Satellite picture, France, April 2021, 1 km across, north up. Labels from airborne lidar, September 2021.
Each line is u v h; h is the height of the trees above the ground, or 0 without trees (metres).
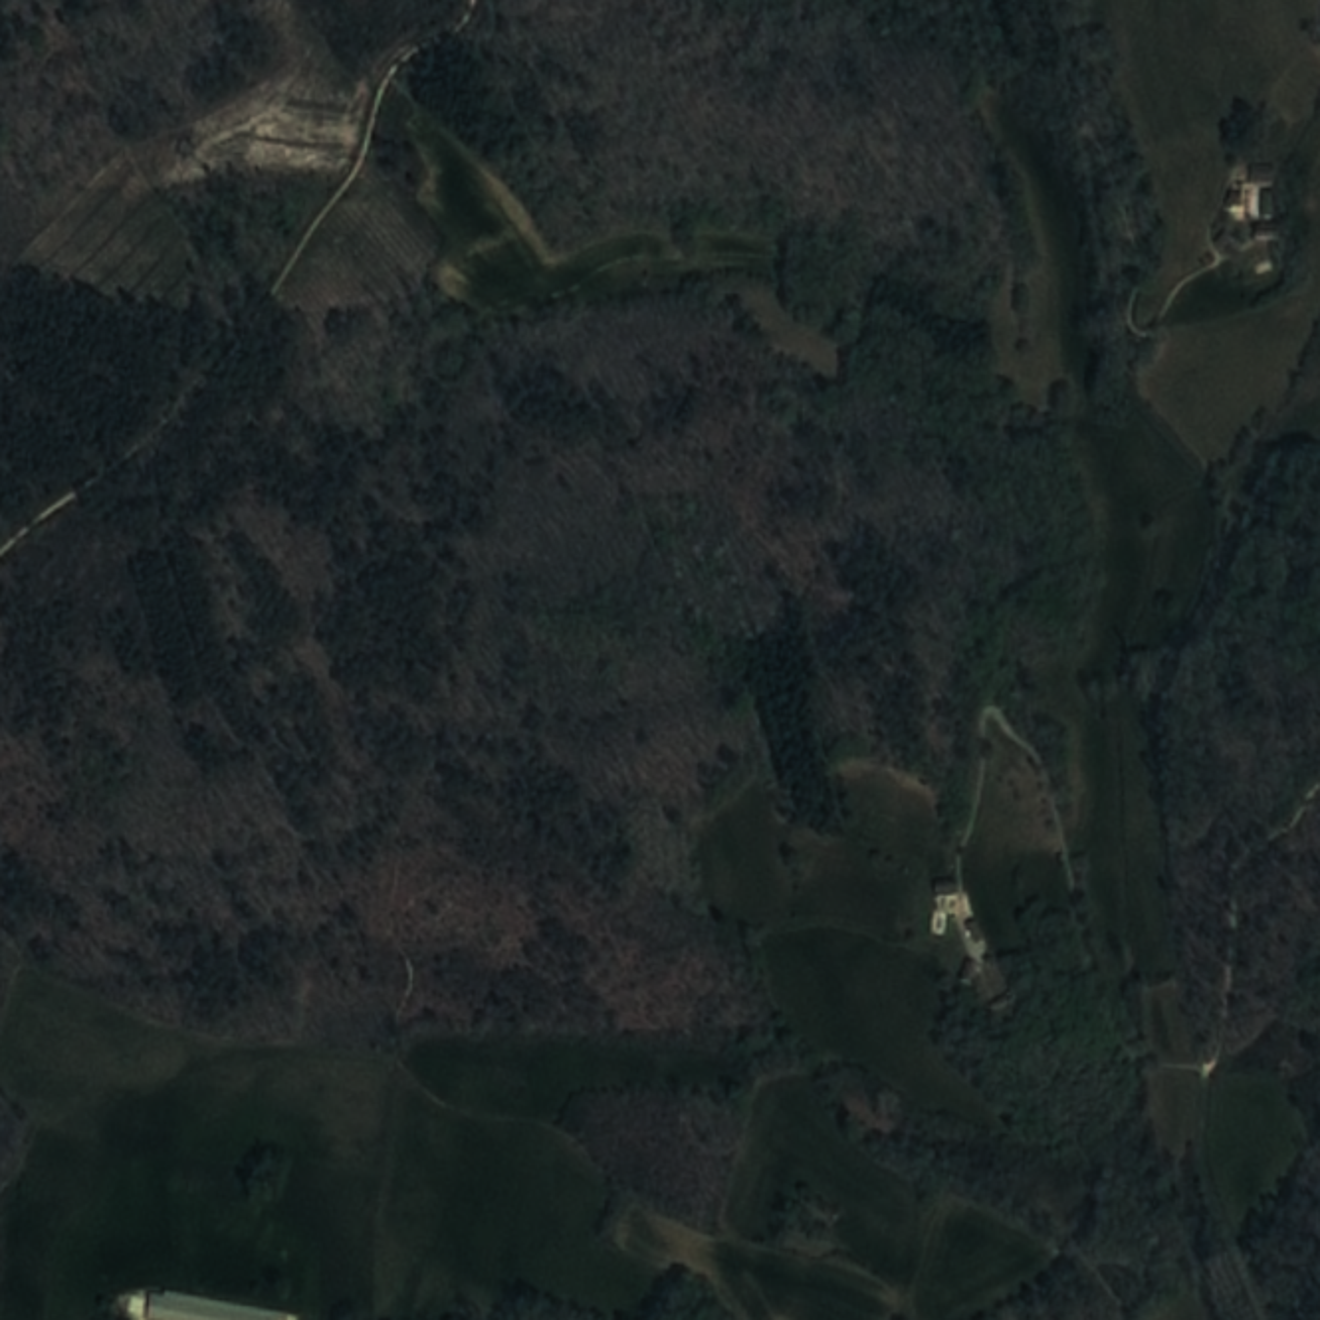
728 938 8
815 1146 0
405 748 23
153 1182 0
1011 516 24
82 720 9
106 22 22
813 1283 0
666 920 8
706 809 15
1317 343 8
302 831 27
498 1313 8
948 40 23
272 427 13
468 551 14
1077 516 22
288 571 10
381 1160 0
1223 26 0
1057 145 17
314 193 13
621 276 0
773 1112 0
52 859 8
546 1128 0
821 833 12
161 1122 0
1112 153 20
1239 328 0
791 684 23
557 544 20
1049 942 13
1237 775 19
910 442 22
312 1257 0
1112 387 23
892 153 20
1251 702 29
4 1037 0
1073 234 0
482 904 7
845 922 0
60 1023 0
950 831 12
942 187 18
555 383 10
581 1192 0
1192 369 0
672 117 14
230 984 21
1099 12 0
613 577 20
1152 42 0
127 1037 0
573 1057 0
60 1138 0
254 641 10
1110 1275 15
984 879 0
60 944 14
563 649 13
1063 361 0
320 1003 10
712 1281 8
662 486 14
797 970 0
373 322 21
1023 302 15
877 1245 0
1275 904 10
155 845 7
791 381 13
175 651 17
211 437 13
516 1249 0
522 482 15
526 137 11
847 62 21
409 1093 0
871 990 0
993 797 0
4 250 8
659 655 15
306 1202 0
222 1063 0
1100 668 0
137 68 15
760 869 0
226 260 12
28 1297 0
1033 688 28
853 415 21
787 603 14
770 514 7
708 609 16
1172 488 0
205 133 0
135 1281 0
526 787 24
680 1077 0
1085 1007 22
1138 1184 17
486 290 0
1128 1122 11
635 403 13
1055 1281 14
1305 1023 16
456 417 10
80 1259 0
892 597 25
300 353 15
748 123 14
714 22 19
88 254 0
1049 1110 15
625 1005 7
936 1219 0
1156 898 0
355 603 25
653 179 14
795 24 24
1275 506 26
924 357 28
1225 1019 10
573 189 14
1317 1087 6
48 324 16
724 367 8
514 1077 0
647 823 17
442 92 20
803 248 23
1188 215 0
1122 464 0
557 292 0
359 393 18
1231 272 15
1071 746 22
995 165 14
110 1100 0
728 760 14
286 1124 0
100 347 20
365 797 9
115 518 20
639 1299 0
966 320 17
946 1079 0
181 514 19
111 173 0
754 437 9
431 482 6
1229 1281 35
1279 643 19
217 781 14
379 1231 0
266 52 31
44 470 18
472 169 0
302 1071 0
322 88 0
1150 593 0
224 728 17
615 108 11
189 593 19
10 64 14
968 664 20
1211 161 0
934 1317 0
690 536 18
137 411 17
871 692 24
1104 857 0
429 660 30
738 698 17
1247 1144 0
